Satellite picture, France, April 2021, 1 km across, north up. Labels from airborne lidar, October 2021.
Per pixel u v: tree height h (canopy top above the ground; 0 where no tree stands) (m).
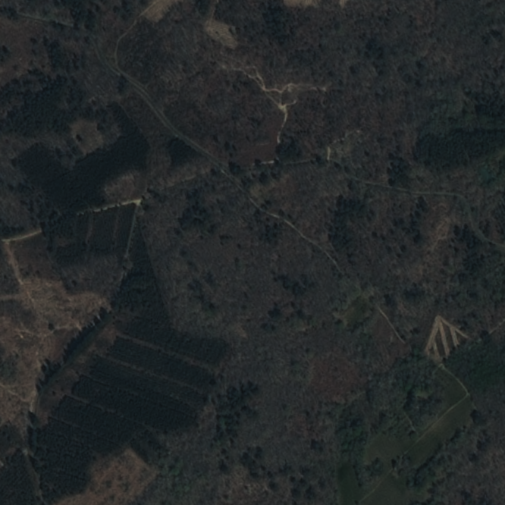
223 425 16
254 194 17
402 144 15
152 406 12
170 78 14
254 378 11
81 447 16
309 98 7
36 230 15
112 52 0
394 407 7
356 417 10
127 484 0
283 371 19
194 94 13
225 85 11
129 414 12
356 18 12
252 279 8
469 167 20
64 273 14
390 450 0
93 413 13
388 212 7
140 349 8
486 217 6
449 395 0
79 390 11
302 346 9
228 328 20
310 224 11
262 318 11
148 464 12
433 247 18
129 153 12
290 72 14
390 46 11
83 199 12
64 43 13
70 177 11
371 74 22
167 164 6
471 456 9
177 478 14
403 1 18
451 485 11
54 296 0
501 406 8
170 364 10
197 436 9
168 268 21
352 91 8
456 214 13
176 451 9
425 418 25
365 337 17
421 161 26
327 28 10
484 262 14
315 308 10
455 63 10
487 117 22
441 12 13
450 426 0
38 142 17
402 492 0
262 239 14
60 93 24
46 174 11
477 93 12
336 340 9
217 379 10
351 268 5
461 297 13
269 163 0
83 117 20
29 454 16
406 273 22
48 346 0
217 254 7
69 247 7
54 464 17
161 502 17
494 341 12
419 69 12
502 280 10
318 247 9
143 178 0
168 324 7
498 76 7
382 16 8
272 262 13
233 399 20
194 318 13
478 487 8
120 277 15
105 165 11
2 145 14
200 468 13
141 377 8
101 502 0
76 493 19
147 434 11
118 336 6
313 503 25
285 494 11
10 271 14
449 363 13
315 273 16
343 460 17
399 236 12
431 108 12
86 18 21
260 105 6
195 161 10
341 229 19
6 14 19
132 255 8
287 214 9
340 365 0
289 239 9
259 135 8
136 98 6
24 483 17
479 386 15
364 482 17
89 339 29
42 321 0
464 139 25
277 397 10
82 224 8
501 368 16
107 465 0
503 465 8
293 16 7
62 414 11
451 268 21
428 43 15
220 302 13
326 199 9
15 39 0
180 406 11
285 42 14
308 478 28
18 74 16
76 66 19
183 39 17
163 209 12
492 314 9
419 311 19
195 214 15
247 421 13
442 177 17
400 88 13
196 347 9
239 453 17
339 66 6
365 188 9
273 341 12
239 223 15
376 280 11
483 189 9
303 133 10
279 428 13
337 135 8
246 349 13
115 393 13
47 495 18
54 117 25
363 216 26
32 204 12
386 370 16
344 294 21
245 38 10
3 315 0
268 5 11
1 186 28
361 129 12
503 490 15
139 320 9
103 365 9
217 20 9
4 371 18
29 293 0
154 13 0
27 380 0
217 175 9
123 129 10
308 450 14
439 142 20
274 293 8
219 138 11
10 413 0
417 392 26
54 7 17
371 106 14
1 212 14
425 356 24
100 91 15
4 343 0
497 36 12
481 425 25
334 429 14
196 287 14
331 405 6
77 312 0
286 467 14
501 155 12
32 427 11
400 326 19
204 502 14
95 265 15
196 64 10
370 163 7
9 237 21
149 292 9
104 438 11
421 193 11
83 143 23
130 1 10
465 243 16
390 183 6
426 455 0
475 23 15
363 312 0
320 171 18
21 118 25
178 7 13
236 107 10
